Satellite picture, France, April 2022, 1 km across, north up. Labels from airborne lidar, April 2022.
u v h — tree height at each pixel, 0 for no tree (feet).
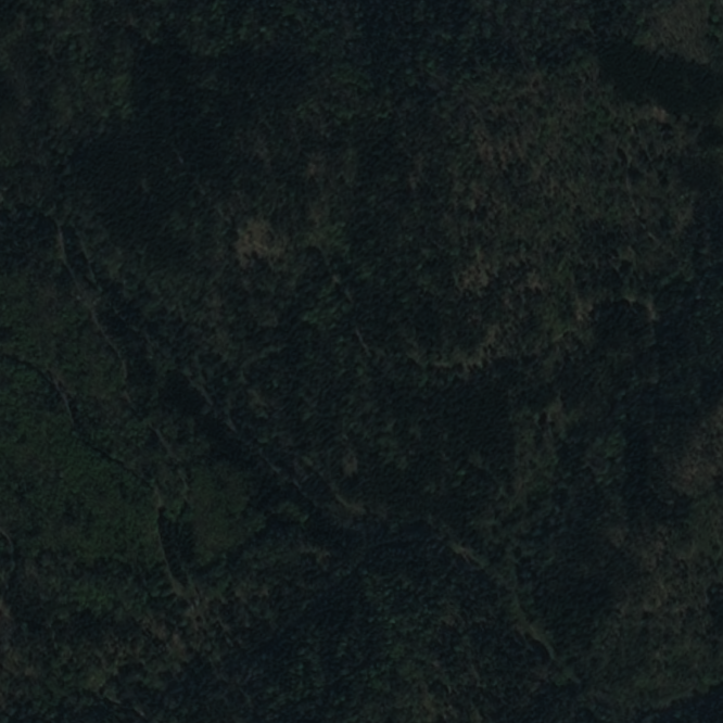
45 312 73
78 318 80
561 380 112
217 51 66
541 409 75
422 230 61
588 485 71
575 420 47
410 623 83
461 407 81
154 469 74
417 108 60
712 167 74
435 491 88
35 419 71
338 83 51
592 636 67
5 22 91
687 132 35
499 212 68
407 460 82
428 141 65
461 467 91
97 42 76
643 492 80
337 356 60
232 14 75
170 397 66
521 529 85
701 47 50
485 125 67
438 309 79
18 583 116
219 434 60
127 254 74
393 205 61
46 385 69
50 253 60
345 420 68
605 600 84
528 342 68
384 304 89
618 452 91
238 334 87
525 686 134
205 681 146
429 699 42
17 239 82
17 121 70
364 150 79
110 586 118
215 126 68
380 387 79
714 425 47
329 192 81
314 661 80
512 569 60
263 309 71
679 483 48
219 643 115
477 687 121
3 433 76
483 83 29
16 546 41
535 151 75
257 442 114
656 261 47
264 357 81
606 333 98
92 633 92
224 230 70
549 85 48
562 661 79
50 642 91
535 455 72
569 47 88
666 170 37
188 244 87
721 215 93
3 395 74
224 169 61
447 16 92
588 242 76
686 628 31
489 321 70
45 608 110
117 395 73
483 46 73
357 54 89
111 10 76
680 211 77
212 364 108
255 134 54
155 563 65
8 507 70
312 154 76
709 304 70
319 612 89
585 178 87
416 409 111
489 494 82
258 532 39
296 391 80
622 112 89
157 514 65
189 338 113
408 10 106
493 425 95
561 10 103
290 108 58
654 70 49
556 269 71
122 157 81
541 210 73
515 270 67
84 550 52
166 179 83
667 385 64
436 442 90
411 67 95
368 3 149
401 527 96
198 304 73
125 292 96
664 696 66
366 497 76
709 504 66
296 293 68
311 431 74
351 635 78
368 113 73
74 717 108
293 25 68
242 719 107
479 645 90
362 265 58
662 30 72
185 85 79
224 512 74
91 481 74
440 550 122
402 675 86
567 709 96
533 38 78
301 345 66
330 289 75
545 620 89
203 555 76
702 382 56
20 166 89
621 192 86
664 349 81
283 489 33
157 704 119
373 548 87
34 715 119
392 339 34
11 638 88
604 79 52
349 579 104
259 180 58
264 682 122
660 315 61
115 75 98
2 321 84
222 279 75
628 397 80
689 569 84
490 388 90
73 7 70
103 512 65
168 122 76
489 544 94
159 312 94
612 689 73
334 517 66
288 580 85
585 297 80
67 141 85
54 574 101
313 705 80
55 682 103
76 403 46
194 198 88
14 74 89
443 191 54
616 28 79
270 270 76
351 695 89
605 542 53
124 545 73
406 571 106
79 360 85
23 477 64
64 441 83
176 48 83
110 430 85
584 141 65
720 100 73
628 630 50
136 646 54
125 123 82
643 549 36
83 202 94
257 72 77
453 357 64
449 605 86
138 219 87
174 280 59
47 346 84
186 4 78
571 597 89
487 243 58
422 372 86
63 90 89
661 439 91
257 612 94
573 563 59
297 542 83
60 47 93
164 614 99
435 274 75
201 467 68
